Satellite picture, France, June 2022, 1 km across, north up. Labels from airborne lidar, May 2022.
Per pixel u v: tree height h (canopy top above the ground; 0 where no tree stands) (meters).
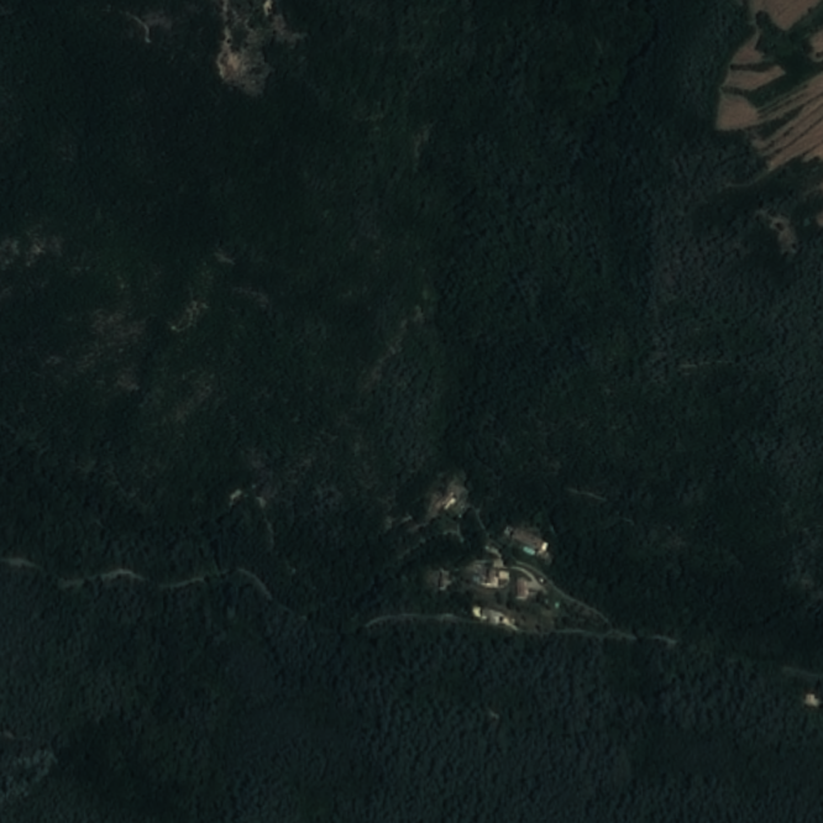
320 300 12
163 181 14
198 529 6
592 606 12
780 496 16
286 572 20
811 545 24
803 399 19
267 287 10
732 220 6
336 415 6
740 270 11
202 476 14
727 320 11
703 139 10
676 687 17
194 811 16
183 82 13
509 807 27
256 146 16
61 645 20
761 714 21
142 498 14
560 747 30
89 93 15
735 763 12
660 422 16
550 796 29
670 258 18
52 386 6
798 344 20
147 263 9
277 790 19
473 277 12
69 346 7
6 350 6
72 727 13
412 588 13
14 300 7
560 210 12
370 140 13
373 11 11
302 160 10
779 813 29
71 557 9
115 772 24
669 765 16
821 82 0
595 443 12
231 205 13
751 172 9
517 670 32
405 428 21
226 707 23
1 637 17
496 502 14
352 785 13
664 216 17
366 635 8
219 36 12
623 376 10
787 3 0
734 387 13
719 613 19
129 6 7
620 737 15
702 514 18
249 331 10
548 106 7
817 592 12
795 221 6
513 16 24
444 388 12
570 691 21
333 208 18
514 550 9
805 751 16
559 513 15
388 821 24
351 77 16
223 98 14
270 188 20
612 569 17
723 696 30
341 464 9
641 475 16
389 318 11
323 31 17
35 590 18
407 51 9
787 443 21
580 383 13
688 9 14
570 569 17
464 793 13
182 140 12
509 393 11
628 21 10
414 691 20
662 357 8
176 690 16
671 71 13
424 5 11
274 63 14
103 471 15
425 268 10
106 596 20
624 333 15
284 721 15
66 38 13
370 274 8
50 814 15
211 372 9
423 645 12
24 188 15
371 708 9
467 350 16
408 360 13
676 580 18
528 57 8
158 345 10
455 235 17
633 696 6
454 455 18
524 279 28
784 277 18
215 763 16
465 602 8
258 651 15
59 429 19
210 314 10
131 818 21
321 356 11
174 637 22
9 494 17
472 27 7
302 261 19
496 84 16
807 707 9
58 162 8
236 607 29
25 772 16
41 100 17
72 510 22
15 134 9
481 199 14
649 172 14
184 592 17
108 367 7
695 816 17
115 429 17
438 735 27
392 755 16
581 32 8
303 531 17
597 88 13
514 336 18
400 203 11
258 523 13
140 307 7
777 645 19
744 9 8
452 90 18
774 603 26
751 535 16
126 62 12
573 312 14
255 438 15
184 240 14
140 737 16
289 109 19
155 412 13
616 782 30
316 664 35
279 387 11
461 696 12
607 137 17
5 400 17
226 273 13
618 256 17
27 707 22
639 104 13
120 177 11
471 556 6
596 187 21
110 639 19
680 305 7
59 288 13
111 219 7
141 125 7
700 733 11
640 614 17
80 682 22
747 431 16
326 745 16
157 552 22
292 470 12
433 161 21
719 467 14
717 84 6
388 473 11
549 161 14
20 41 15
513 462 13
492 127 17
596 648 21
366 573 11
